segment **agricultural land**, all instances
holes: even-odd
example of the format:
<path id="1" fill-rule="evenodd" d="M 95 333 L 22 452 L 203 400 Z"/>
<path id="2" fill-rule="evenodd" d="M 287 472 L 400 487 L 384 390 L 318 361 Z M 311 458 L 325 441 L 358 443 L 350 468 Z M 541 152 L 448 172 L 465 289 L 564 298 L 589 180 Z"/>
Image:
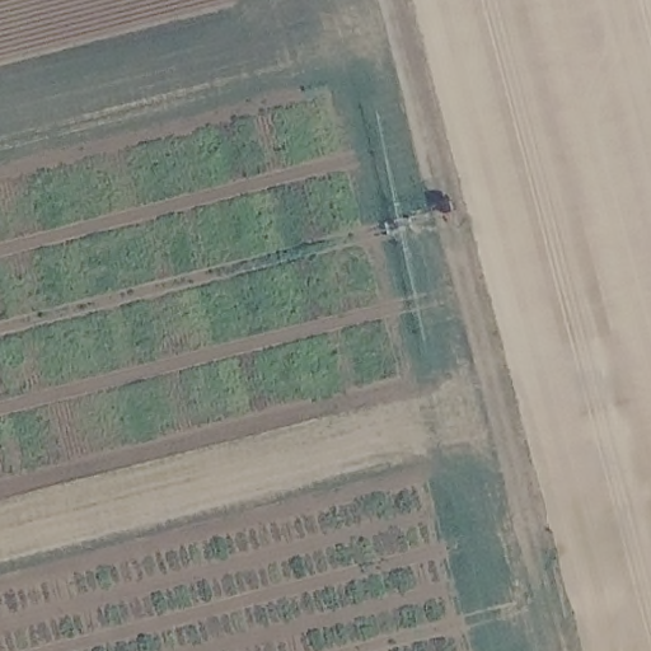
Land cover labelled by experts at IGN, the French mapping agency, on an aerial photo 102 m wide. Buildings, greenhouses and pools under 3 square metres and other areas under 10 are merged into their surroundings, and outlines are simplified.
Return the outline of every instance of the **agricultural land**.
<path id="1" fill-rule="evenodd" d="M 0 0 L 0 651 L 651 651 L 651 0 Z"/>

